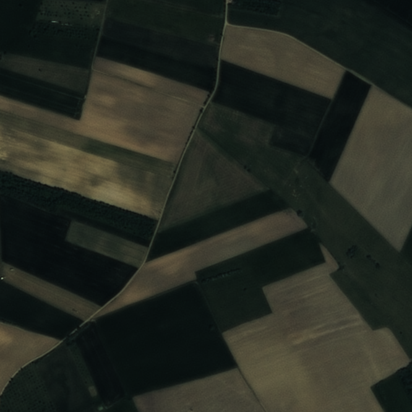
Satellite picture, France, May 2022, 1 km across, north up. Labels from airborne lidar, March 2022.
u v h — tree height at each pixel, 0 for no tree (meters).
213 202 0
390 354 0
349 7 0
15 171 0
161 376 0
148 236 11
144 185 0
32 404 0
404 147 0
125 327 0
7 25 0
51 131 0
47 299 0
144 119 0
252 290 0
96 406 0
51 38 0
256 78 0
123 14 0
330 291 0
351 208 0
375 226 0
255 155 0
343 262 0
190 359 0
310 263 0
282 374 0
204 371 0
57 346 0
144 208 0
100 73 0
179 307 0
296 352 0
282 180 0
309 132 0
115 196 0
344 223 0
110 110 0
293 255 0
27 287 0
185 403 0
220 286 0
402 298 0
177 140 0
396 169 0
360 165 0
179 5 0
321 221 0
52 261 0
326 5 0
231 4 7
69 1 0
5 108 0
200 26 0
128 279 0
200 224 0
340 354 0
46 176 0
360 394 0
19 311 0
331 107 0
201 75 0
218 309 0
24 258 0
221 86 0
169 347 0
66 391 0
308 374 0
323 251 0
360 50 0
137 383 0
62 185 0
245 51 0
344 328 0
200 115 0
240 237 0
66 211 0
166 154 0
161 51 0
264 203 0
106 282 0
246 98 0
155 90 0
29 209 0
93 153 0
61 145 0
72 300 0
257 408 0
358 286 0
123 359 0
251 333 0
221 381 0
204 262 0
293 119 0
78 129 0
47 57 0
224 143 0
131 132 0
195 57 0
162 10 0
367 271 0
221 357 0
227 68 0
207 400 0
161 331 0
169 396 0
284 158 0
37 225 0
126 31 0
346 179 0
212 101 0
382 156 0
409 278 0
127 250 0
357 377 0
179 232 0
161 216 0
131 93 0
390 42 0
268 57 0
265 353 0
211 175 0
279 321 0
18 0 0
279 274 0
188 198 0
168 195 0
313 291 0
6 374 0
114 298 0
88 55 0
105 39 0
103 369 0
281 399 0
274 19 0
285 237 0
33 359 0
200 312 0
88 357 0
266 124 0
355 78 0
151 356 0
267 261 0
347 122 0
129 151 0
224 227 0
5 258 0
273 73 0
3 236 0
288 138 0
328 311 0
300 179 0
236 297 0
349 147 0
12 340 0
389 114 0
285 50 0
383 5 0
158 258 0
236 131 0
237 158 0
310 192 0
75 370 0
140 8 0
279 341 0
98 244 0
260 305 0
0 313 0
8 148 0
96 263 0
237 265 0
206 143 0
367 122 0
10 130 0
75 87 0
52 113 0
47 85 0
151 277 0
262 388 0
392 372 0
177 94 0
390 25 0
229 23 0
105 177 0
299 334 0
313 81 0
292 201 0
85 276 0
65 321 0
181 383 0
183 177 0
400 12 0
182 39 0
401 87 0
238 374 0
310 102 0
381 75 0
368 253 0
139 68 0
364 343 0
